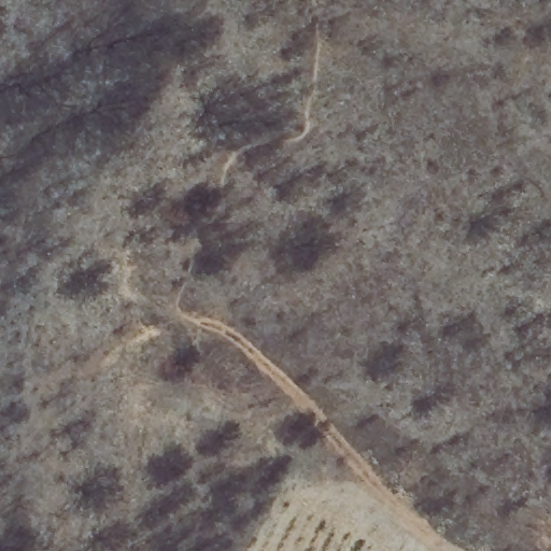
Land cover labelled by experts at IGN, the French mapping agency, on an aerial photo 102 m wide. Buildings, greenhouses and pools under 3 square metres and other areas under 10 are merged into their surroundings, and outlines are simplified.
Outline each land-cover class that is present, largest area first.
<instances>
[{"label":"bare soil","instance_id":"1","mask_svg":"<svg viewBox=\"0 0 551 551\"><path fill-rule=\"evenodd\" d=\"M67 6H62L56 0H0V82L6 73L15 71L17 60L28 58L30 43L39 41L41 34L50 32V28L62 26ZM319 17H312L306 28H299L291 34L286 47H282L280 52L282 60L299 56L306 50L314 47ZM529 50L551 39V17L529 26L523 37ZM71 56L69 43L65 39H56V43L47 45L50 62H58L60 58L65 60ZM319 99V90H312L303 99V110L284 125V131L288 136L286 140L291 144L306 140L312 131L310 112L312 103ZM101 157V149L88 153L86 142L80 138L75 140L73 151L56 142L54 157L43 161L39 172L30 174L26 181L6 183L0 187V536L6 527H30L32 508H37L39 512L58 510V506L69 497L71 491L82 493L75 499L77 508H88L95 512H101L105 504L123 501L125 489L121 484V474H131L136 469L138 454H142L146 471L151 476L146 489L151 491L153 499L166 497L174 489L187 484L196 491L192 501L181 506L183 514H189L194 510H207L213 504V493L204 484H200L198 478L200 471H204L207 467H250L260 458L271 456L267 452V443L273 437L284 446H299L306 450L312 448L319 439H323L329 426H336L347 437V441L359 454H364L368 465L375 469L377 476H381L383 484L392 493L405 491L411 495L413 510L420 517H424L437 534H441L448 542L461 547L463 551H551V293L540 295L523 288L508 291L512 299L504 310V319L506 331L512 340V349L504 353L501 359H497L495 347L489 342L482 323L476 319V312L456 316L452 312H443L439 314L441 327L428 329L424 306L420 299V288L413 291V306L407 310L390 301V280L402 276L405 271L398 267L400 254L392 250L390 241V232L396 228V217L402 204L385 200L377 209L362 211L364 189L355 183L347 192L327 198L329 213L325 217L310 215L301 224H288L278 239L269 237L265 241H248V235L258 230L263 222L248 220L230 230L228 220L235 209L226 207L224 213L215 211L217 202L235 189L232 183H226L228 170L237 161V153L232 151L228 153V159L220 170L222 187H207L204 183H200L192 187L183 198L166 196L159 183L155 187L136 192L131 204L123 207L125 213L131 215V230L123 239V250L118 252V256L112 263L99 260L90 269L71 273L69 282L58 284L56 295H47V286L39 280V273L54 256L62 254L69 245H73L75 239L62 237L60 243L47 245V224L54 220V211H58L60 207H75L80 200L88 198L95 192V185L101 179V170L95 168V161ZM170 303H179L185 312L220 319L226 325L241 329L243 336L263 351V355H267L280 370H284L325 411V420L316 422L312 413L299 411L291 396H286L269 377H265L256 368V364L245 357L243 351L235 349L217 334L189 323H179L174 316H168L166 308ZM525 185L521 181H512L506 187H499L497 192H484L478 196L486 200V207L469 220V243L486 239L501 222H519V215L512 211V196L517 192H523ZM551 243V220L536 224L517 241V245ZM265 521V514L256 523H250L237 536V540L232 542L237 551H248L256 542V534Z\"/></svg>","mask_w":551,"mask_h":551},{"label":"coniferous trees","instance_id":"2","mask_svg":"<svg viewBox=\"0 0 551 551\"><path fill-rule=\"evenodd\" d=\"M62 6H67L62 26L50 28V32L41 34L39 41L30 43L28 58L17 60L15 71L6 73L0 82V187L6 183L26 181L30 174L39 172L43 161L54 157L56 142L73 151L75 140L80 138L86 142L88 153L101 149V157L95 161V168L101 170V179L95 185V192L88 198L80 200L75 207H60L58 211H54V220L47 224V245L60 243L62 237L75 239L73 245H69L62 254L54 256L39 273V280L47 286V295H56L58 284L69 282L71 273L90 269L99 260L112 263L118 256V252L123 250V239L131 230V215L125 213L123 207L131 204L136 192L155 187L159 183L166 196L183 198L192 187L200 183H204L207 187H222L220 170L228 159V153L232 151L237 153V161L228 170L226 183H232L235 189L217 202L215 211L224 213L226 207L235 209L228 220L230 230L248 220L263 222L258 230L248 235V241H265L269 237L278 239L288 224H301L310 215L325 217L329 213L327 198L347 192L355 183L364 189L362 211L377 209L385 200L402 204L396 217V228L390 232V241L392 250L400 254L398 267L405 271L402 276L390 280V301L407 310L413 306V291L420 288V299L424 306L428 329L441 327L439 314L443 312H452L456 316L476 312V319L482 323L489 342L495 347L497 359H501L504 353L512 349V340L506 331L504 319V310L512 299L508 291L523 288L540 295L551 293V243L517 245V241L536 224L551 220V39L529 50L523 37L529 26L551 17V0H56ZM312 17H319L314 47L306 50L299 56L282 60L280 52L282 47H286L291 34L299 28H306ZM56 39H65L69 43L71 56L65 60L60 58L58 62H50L47 45L56 43ZM312 90H319V99L312 103L310 112L312 131L306 140L291 144L286 140L288 136L284 131V125L303 110V99ZM512 181H521L525 185L523 192H517L512 196V211L519 215V222H501L486 239L469 243V220L486 207V200L478 196L484 192H497L499 187H506ZM291 456H271L260 458L250 467H207L204 471H200L198 478L200 484H204L213 493V504L207 510H194L189 514H183L181 506L192 501L196 491L187 484L174 489L166 497L153 499L151 491L146 489L151 476L146 471L142 454H138L136 469L131 474H121V484L125 489L123 501L105 504L101 512H95L88 508H77L75 499L82 493L71 491L69 497L58 506V510L39 512L37 508H32L30 527H6L0 536V551H237L232 542L237 540V536L250 523H256L265 514L271 510L276 493L280 491V482L286 478L288 471Z\"/></svg>","mask_w":551,"mask_h":551},{"label":"vineyard","instance_id":"3","mask_svg":"<svg viewBox=\"0 0 551 551\"><path fill-rule=\"evenodd\" d=\"M248 551H463L461 547L448 542L441 534H437L424 517H420L415 525L407 521L398 523L396 517L390 514V506H383L377 499H372L359 484L321 482L312 486L308 480L295 478L288 471L286 478L280 482V491L276 493L271 510L265 514V521L256 534V542Z\"/></svg>","mask_w":551,"mask_h":551},{"label":"pervious surface","instance_id":"4","mask_svg":"<svg viewBox=\"0 0 551 551\"><path fill-rule=\"evenodd\" d=\"M168 316H174L179 323H189L217 334L235 349L243 351L245 357L256 364V368L265 377H269L286 396H291L299 411L312 413L316 422L325 420V411L284 370H280L267 355H263V351L243 336L241 329L226 325L220 319L185 312L179 303H170L166 308ZM267 452L271 456H291L288 471L295 478L308 480L312 486L321 482L359 484L372 499H377L383 506H390V514L396 517L398 523L407 521L415 525L420 517L413 510L411 495L405 491L392 493L383 484L381 476H377L375 469L368 465L364 454H359L347 441V437L336 426H329L323 439H319L312 448L306 450L299 446H284L273 437L267 443Z\"/></svg>","mask_w":551,"mask_h":551}]
</instances>
